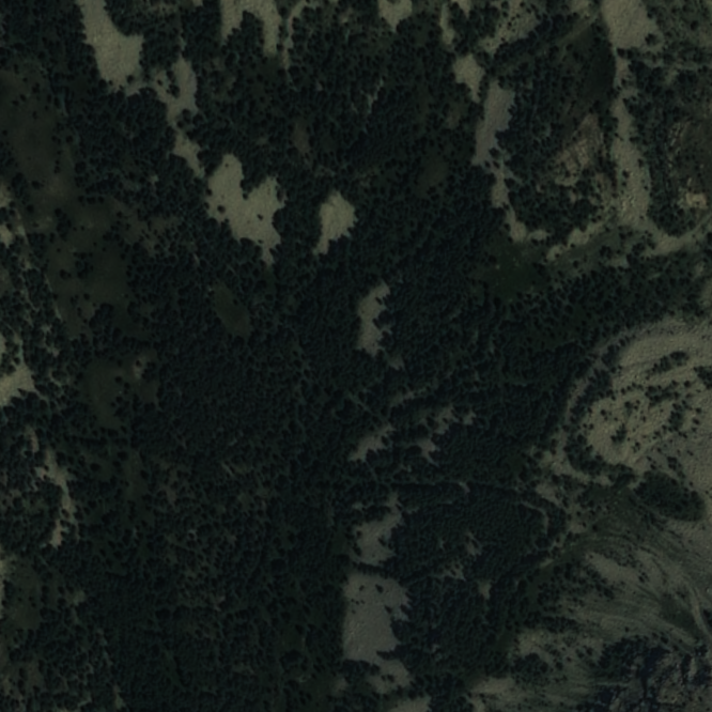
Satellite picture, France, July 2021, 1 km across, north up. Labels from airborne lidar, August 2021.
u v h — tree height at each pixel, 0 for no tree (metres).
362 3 15
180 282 16
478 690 0
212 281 16
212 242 24
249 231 0
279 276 22
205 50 11
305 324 26
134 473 0
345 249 27
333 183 13
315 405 15
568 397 16
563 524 15
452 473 17
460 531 16
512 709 0
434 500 18
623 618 0
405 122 12
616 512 0
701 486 0
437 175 0
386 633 0
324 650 15
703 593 0
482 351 17
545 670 12
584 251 0
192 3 0
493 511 18
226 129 16
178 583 12
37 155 0
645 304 7
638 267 13
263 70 0
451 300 15
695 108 0
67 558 22
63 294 0
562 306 17
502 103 0
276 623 17
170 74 14
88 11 0
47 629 20
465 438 19
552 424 17
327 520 17
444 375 13
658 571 0
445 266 17
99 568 24
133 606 29
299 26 16
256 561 21
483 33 11
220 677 20
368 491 15
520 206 7
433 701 7
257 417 21
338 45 11
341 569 20
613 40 0
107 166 15
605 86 0
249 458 20
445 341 20
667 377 0
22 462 12
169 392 15
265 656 24
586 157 0
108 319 18
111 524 24
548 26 14
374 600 0
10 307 8
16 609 0
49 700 7
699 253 0
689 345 0
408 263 21
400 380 18
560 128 14
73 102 19
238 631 16
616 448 0
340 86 20
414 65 16
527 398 21
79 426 19
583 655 9
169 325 13
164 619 21
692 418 0
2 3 15
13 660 16
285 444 20
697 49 7
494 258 16
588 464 13
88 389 0
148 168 13
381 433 0
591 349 10
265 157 17
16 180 14
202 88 17
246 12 12
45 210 0
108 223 0
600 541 0
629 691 0
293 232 23
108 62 0
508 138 17
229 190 0
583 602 6
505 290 0
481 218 14
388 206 11
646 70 14
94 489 20
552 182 7
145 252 14
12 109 0
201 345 14
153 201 16
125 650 20
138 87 0
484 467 12
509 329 20
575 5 0
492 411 16
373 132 22
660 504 11
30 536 9
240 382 19
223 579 16
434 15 11
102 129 21
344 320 20
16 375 0
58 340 17
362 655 0
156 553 12
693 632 0
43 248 17
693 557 0
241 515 19
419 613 15
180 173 21
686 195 0
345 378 23
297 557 24
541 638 0
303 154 6
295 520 23
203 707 22
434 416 10
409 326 18
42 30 15
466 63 0
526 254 0
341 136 17
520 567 17
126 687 22
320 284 25
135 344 20
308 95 19
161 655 22
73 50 17
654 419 0
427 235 14
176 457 14
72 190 0
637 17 0
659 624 0
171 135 16
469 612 19
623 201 0
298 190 11
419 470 17
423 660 22
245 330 0
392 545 6
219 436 12
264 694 17
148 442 15
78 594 0
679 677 0
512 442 19
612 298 10
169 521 13
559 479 16
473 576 9
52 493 16
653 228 0
